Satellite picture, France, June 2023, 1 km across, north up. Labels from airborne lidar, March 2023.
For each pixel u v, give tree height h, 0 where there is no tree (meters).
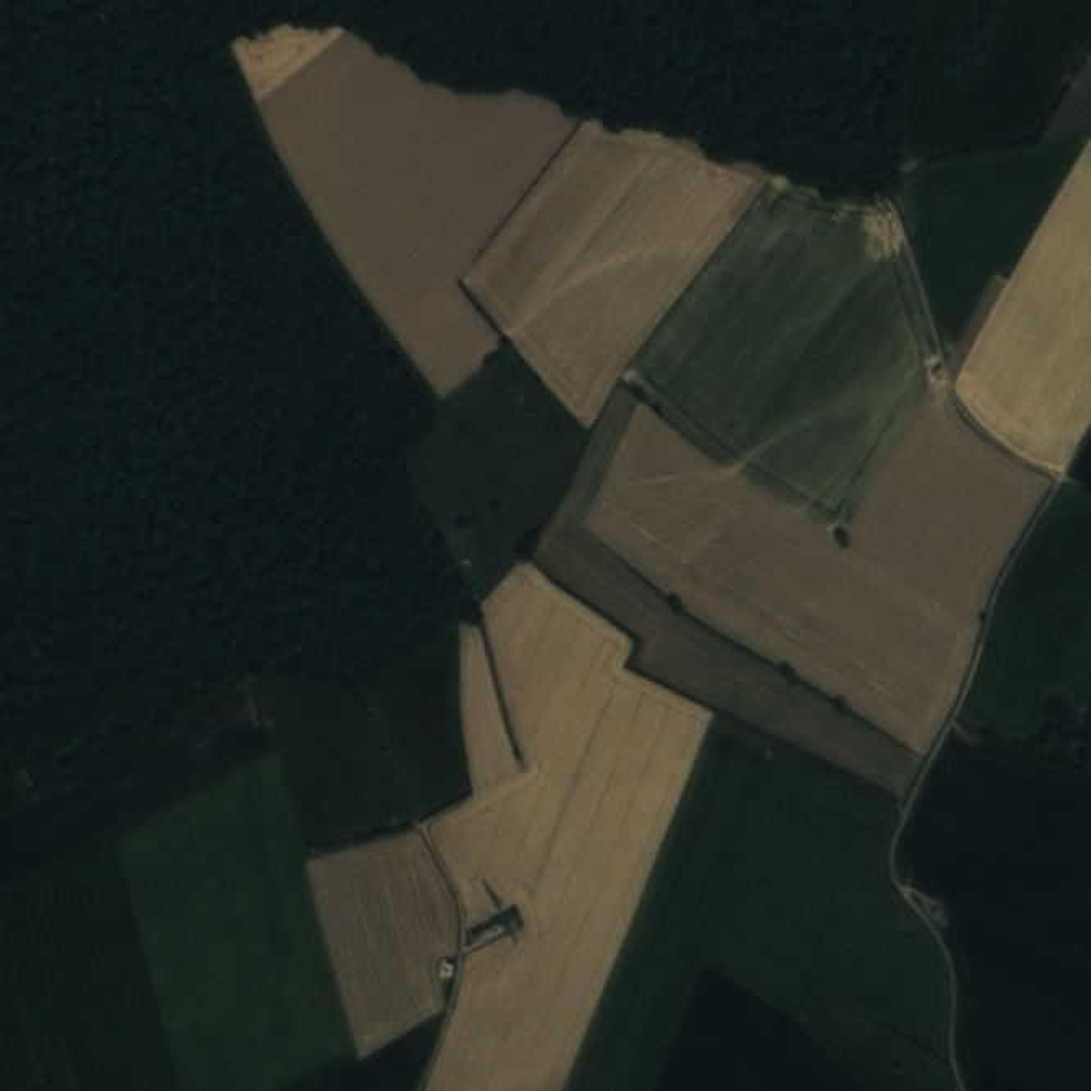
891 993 0
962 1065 0
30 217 25
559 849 0
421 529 19
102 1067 0
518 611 0
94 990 0
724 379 0
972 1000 0
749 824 0
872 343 0
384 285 0
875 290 0
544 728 0
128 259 19
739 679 0
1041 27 0
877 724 0
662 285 0
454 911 0
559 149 0
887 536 0
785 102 26
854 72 23
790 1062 0
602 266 0
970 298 0
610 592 0
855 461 0
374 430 19
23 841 0
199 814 0
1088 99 0
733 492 0
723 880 0
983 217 0
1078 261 0
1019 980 0
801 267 0
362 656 17
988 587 0
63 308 20
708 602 0
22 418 19
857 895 0
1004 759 0
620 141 0
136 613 23
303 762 0
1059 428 0
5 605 0
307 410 26
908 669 0
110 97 21
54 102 19
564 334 0
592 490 0
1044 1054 0
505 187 0
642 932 0
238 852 0
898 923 0
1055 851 0
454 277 0
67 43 22
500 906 0
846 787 0
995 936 0
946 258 0
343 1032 0
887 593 0
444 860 0
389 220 0
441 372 0
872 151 24
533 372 6
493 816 0
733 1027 0
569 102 23
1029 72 0
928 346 0
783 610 0
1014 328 0
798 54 22
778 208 0
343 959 0
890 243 0
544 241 0
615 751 0
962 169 0
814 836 0
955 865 0
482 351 0
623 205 0
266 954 0
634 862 0
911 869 0
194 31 23
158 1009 0
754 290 0
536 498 0
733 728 0
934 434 0
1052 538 0
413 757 0
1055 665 0
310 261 18
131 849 0
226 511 23
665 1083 0
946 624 0
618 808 0
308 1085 0
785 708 0
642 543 0
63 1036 0
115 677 22
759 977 0
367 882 0
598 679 0
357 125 0
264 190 17
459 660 0
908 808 0
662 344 0
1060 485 0
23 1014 0
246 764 0
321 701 0
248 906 0
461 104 0
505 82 16
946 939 0
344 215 0
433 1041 0
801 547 0
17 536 24
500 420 0
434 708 0
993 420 0
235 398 22
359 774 0
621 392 0
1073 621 0
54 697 12
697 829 0
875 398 0
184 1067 0
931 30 0
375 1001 0
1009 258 0
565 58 21
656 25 30
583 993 0
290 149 0
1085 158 0
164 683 16
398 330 0
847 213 0
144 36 20
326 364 21
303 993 0
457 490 0
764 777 0
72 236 18
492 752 0
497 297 0
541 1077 0
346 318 20
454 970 0
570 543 0
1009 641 0
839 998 0
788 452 0
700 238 0
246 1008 0
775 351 0
